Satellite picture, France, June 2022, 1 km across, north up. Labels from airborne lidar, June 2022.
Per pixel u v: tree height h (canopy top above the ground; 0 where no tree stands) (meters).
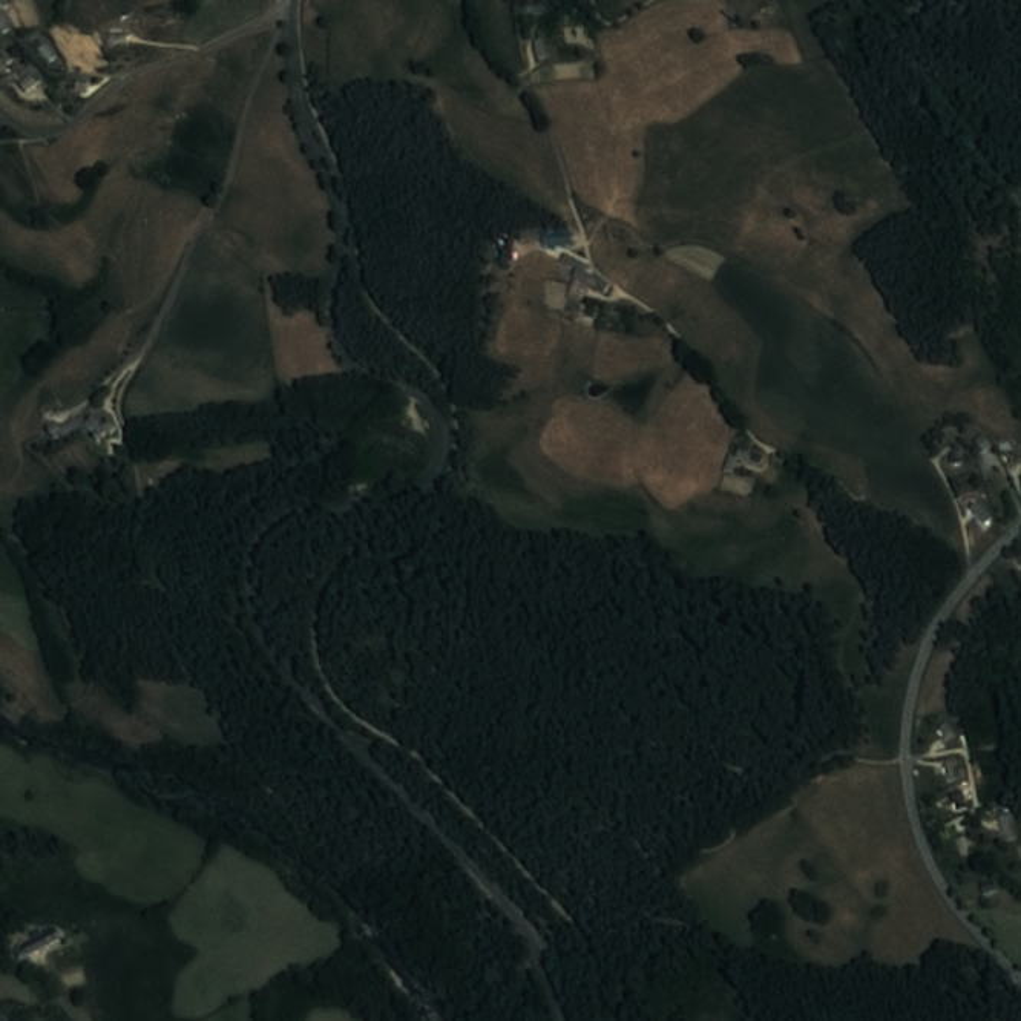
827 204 0
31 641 0
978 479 10
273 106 0
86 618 20
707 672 36
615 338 0
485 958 19
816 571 0
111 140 0
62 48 0
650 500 0
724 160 0
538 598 28
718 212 0
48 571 19
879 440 0
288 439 23
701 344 0
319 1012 0
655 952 27
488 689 26
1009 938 0
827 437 0
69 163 0
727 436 0
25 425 0
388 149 18
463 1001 22
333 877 8
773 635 34
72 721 11
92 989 0
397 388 17
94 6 0
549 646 31
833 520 16
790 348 0
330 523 16
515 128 0
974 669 17
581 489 0
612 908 24
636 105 0
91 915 0
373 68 0
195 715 0
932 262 12
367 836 17
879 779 0
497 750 22
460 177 21
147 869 0
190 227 0
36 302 0
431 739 21
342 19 0
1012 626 18
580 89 0
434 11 0
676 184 0
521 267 0
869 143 0
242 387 0
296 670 9
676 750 30
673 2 0
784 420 0
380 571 25
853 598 0
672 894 27
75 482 23
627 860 27
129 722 0
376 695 21
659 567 28
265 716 12
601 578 32
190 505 16
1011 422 0
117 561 25
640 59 0
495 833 11
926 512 0
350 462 14
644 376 0
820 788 0
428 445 0
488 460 0
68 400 0
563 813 26
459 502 26
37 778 0
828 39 18
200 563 26
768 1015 21
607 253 0
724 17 0
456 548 32
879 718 0
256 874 0
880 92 20
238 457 0
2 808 0
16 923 26
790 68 0
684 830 31
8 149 0
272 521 27
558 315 0
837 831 0
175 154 0
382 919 26
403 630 20
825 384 0
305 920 0
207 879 0
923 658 0
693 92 0
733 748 33
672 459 0
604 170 0
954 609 0
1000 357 10
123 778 16
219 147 0
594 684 30
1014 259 11
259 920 0
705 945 27
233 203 0
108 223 0
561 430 0
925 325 17
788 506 0
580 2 20
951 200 27
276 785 17
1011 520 6
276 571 28
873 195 0
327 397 22
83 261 0
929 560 22
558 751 16
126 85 0
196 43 0
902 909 0
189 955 0
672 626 36
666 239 0
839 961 0
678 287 0
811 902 12
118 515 11
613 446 0
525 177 0
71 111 10
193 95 0
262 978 0
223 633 24
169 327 0
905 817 0
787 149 0
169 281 0
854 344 0
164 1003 0
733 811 22
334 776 8
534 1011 28
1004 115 27
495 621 28
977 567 0
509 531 27
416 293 20
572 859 17
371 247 22
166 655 14
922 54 27
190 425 21
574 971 30
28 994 0
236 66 0
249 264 0
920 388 0
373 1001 19
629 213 0
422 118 22
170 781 9
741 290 0
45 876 0
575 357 0
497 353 0
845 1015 22
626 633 33
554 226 14
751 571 0
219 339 0
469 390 23
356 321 24
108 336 0
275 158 0
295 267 0
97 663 15
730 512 0
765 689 39
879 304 0
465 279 15
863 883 0
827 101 0
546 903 24
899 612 21
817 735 29
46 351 21
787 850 0
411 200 23
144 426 20
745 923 0
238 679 25
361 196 22
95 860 0
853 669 0
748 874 0
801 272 0
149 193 0
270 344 0
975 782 0
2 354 0
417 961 19
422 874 14
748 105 0
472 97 0
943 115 39
